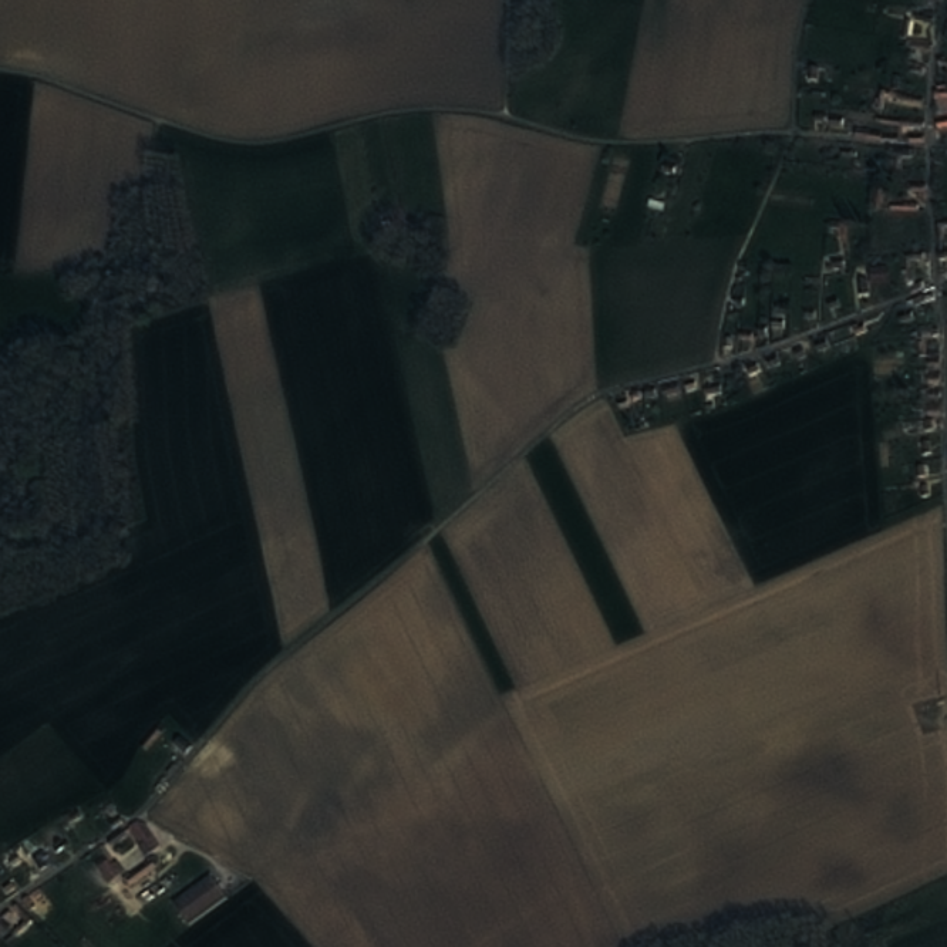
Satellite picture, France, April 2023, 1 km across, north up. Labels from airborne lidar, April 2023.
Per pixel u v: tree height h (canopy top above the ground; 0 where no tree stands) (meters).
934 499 0
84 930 0
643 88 0
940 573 0
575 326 0
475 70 0
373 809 0
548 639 0
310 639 0
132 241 20
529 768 0
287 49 0
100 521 20
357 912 0
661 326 0
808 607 0
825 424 0
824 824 0
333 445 0
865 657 0
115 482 30
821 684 0
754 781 0
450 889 0
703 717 0
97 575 22
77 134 0
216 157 0
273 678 0
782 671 0
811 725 0
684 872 0
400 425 0
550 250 0
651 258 0
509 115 0
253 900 0
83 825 0
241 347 0
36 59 0
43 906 0
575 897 0
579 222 0
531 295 0
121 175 0
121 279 21
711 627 0
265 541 0
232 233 0
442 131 0
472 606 0
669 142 0
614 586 0
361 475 0
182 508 0
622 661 0
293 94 0
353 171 0
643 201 0
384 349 0
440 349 19
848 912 0
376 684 0
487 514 0
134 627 0
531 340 0
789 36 0
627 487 0
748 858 0
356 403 0
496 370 0
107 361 26
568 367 0
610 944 0
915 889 0
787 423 0
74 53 0
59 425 28
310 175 0
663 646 0
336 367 0
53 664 0
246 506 0
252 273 0
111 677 0
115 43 0
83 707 0
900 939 0
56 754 0
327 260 0
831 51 0
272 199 0
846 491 0
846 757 0
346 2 0
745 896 0
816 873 0
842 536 0
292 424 0
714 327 0
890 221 0
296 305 0
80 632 0
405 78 0
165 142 0
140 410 35
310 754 0
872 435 0
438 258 19
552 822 0
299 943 0
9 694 0
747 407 0
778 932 30
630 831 0
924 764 0
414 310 0
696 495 0
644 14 0
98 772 0
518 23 20
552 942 0
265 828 0
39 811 0
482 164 0
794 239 0
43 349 33
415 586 0
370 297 0
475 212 0
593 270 0
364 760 0
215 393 0
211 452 0
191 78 0
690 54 0
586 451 0
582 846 0
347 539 0
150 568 0
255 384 0
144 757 0
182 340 0
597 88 0
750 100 0
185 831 0
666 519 0
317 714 0
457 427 0
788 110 0
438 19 0
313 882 0
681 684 0
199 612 0
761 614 0
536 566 0
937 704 0
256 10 0
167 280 8
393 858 0
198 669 0
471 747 0
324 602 0
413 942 0
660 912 0
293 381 0
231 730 0
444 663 0
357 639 0
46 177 0
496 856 0
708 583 0
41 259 0
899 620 0
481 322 0
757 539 0
